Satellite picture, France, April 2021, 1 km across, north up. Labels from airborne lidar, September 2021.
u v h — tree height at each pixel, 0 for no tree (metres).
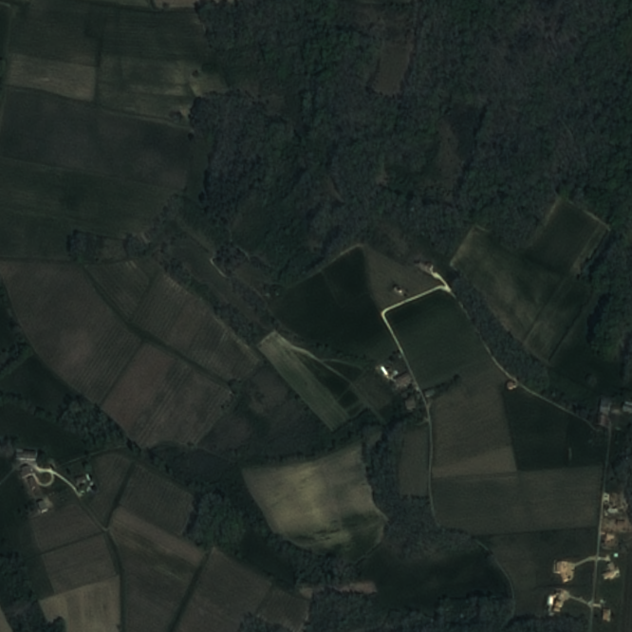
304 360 0
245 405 6
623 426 0
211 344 0
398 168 8
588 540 0
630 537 0
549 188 12
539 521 0
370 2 0
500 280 0
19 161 0
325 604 14
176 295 0
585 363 0
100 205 0
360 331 0
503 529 0
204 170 0
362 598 8
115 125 0
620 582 0
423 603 0
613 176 25
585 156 23
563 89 24
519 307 0
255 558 0
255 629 14
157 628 0
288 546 12
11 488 0
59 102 0
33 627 9
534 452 0
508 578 0
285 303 0
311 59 20
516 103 20
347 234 15
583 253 0
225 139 18
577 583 0
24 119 0
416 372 0
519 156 24
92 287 0
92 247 8
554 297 0
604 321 26
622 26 24
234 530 27
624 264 25
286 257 5
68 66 0
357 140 15
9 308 0
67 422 23
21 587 8
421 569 0
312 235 10
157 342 0
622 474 20
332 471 0
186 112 0
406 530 20
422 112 24
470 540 15
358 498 0
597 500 0
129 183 0
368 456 15
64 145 0
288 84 9
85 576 0
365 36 8
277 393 0
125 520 0
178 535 0
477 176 20
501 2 22
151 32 0
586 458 0
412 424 7
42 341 0
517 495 0
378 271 0
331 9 27
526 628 21
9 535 0
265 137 17
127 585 0
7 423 0
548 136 21
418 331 0
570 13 19
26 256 0
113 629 0
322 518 0
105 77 0
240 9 19
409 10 8
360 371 0
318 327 0
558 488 0
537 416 0
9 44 0
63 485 0
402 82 0
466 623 12
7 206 0
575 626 19
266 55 18
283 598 0
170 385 0
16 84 0
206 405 0
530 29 20
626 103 25
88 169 0
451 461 0
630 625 0
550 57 16
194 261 0
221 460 7
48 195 0
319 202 13
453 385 6
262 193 11
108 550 0
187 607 0
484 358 0
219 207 15
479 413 0
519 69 21
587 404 0
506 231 19
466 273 0
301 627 0
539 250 0
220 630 0
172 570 0
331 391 0
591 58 22
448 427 0
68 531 0
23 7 0
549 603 0
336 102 17
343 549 0
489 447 0
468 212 20
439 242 23
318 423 8
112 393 0
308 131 6
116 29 0
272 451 7
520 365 20
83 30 0
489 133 13
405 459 0
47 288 0
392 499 21
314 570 11
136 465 0
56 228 0
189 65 0
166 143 0
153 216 0
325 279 0
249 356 0
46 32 0
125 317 0
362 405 0
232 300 0
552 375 0
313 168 11
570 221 0
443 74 12
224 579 0
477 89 18
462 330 0
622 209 28
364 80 21
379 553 0
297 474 0
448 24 13
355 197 20
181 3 0
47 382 0
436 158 6
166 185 0
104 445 14
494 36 22
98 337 0
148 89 0
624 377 13
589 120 25
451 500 0
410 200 11
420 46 20
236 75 8
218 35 14
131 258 15
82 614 0
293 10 22
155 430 0
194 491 14
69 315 0
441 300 0
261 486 0
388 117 20
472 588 0
